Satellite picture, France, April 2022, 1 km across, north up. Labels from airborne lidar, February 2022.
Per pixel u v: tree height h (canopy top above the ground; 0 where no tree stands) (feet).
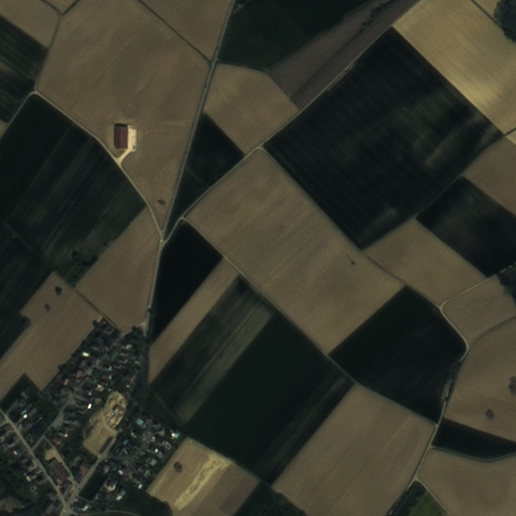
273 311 0
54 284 0
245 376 0
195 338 0
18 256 0
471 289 0
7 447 0
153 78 0
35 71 0
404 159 0
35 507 27
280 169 0
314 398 0
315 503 0
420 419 0
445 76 0
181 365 0
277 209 0
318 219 0
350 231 0
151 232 0
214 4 0
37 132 0
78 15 0
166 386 0
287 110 0
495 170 0
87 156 0
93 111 0
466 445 0
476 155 0
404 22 0
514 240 0
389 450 0
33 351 0
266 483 0
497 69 0
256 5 0
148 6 0
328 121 0
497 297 0
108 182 0
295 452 0
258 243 0
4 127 0
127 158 0
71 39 0
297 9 0
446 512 0
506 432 0
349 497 0
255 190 0
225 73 0
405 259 0
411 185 0
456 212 0
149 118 0
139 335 39
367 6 0
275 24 0
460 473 0
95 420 0
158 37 0
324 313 0
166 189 0
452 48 0
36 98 0
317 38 0
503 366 0
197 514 0
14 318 0
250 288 0
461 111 0
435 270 0
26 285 0
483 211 0
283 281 0
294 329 0
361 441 0
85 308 0
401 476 0
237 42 0
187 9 0
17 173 0
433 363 0
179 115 0
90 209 0
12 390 0
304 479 0
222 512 0
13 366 0
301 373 0
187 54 0
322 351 0
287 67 0
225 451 0
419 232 0
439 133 0
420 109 0
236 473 0
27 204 0
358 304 0
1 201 0
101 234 0
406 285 0
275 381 0
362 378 0
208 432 0
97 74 0
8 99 0
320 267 0
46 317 0
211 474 0
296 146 0
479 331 0
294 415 0
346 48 0
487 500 0
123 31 0
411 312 0
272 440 0
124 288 0
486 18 0
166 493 0
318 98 0
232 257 0
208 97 0
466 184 0
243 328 0
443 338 0
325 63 0
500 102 0
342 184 0
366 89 0
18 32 0
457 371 40
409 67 0
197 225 0
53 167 0
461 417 0
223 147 0
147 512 0
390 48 0
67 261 0
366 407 0
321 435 0
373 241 0
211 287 0
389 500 0
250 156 0
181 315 0
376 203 0
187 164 0
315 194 0
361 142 0
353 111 0
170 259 0
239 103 0
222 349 0
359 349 0
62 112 0
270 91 0
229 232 0
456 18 0
